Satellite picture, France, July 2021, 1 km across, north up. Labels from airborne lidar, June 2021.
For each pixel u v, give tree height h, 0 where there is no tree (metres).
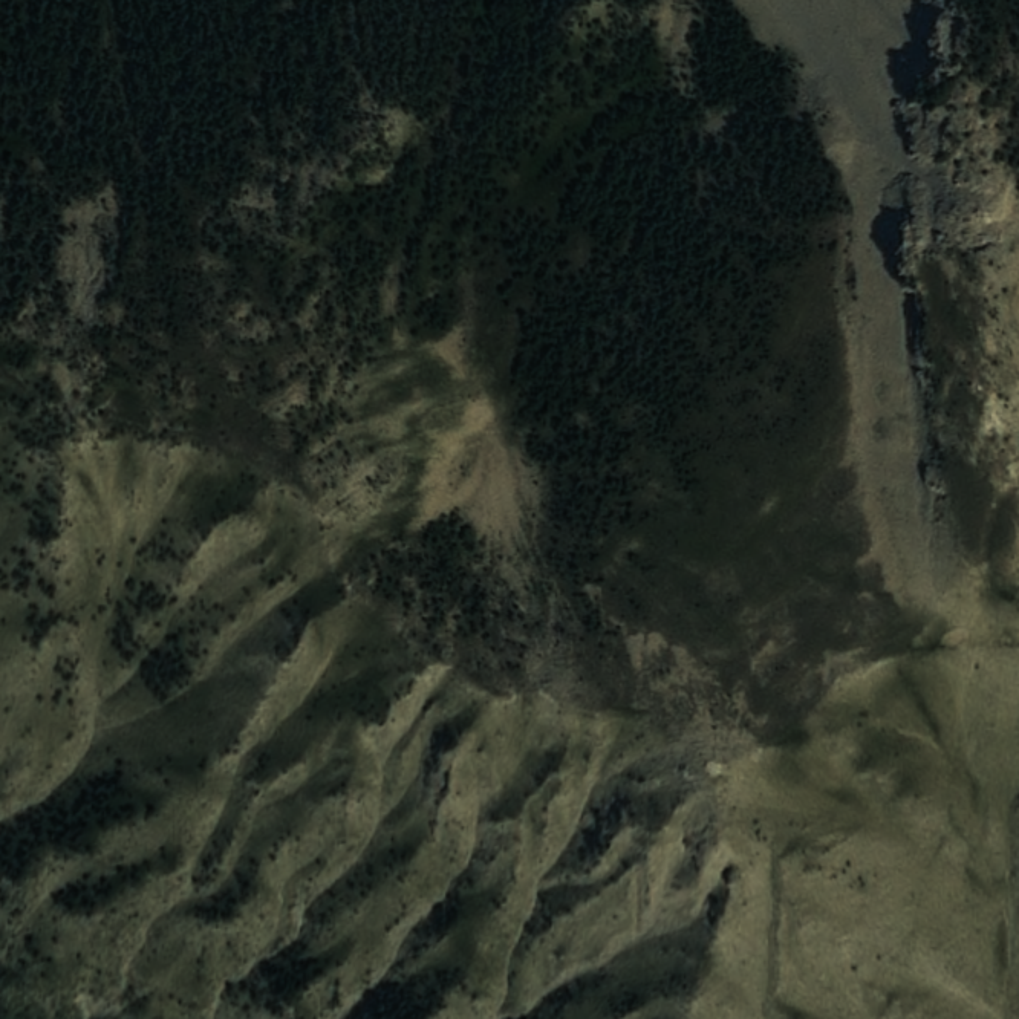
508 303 10
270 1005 7
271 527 0
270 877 0
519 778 0
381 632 0
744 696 0
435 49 17
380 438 0
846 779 0
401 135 0
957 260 0
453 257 14
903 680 0
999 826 0
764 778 0
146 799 0
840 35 0
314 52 16
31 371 0
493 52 13
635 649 0
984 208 0
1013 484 0
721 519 0
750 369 7
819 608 0
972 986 0
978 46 11
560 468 7
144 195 11
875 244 0
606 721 0
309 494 0
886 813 0
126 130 7
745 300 8
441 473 0
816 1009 0
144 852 0
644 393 8
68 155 15
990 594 0
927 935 0
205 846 0
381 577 9
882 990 0
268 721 0
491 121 14
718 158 17
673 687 0
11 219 16
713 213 13
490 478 0
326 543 0
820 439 0
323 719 0
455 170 12
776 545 0
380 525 0
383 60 10
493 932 0
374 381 0
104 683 0
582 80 14
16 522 0
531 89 8
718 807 0
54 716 0
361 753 0
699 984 0
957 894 0
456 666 0
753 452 0
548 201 0
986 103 11
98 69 13
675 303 13
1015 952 0
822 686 0
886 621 0
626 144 11
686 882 0
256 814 0
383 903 0
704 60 19
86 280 0
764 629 0
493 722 0
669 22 0
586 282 6
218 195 10
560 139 0
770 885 0
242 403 0
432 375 0
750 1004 0
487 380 0
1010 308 0
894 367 0
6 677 0
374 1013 7
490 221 16
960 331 0
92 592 0
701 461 0
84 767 0
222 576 0
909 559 0
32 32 17
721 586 0
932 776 0
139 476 0
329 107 8
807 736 0
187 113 20
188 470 0
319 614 0
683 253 11
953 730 0
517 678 0
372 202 16
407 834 0
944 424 0
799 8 0
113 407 0
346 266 13
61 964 0
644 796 0
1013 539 0
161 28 20
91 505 0
